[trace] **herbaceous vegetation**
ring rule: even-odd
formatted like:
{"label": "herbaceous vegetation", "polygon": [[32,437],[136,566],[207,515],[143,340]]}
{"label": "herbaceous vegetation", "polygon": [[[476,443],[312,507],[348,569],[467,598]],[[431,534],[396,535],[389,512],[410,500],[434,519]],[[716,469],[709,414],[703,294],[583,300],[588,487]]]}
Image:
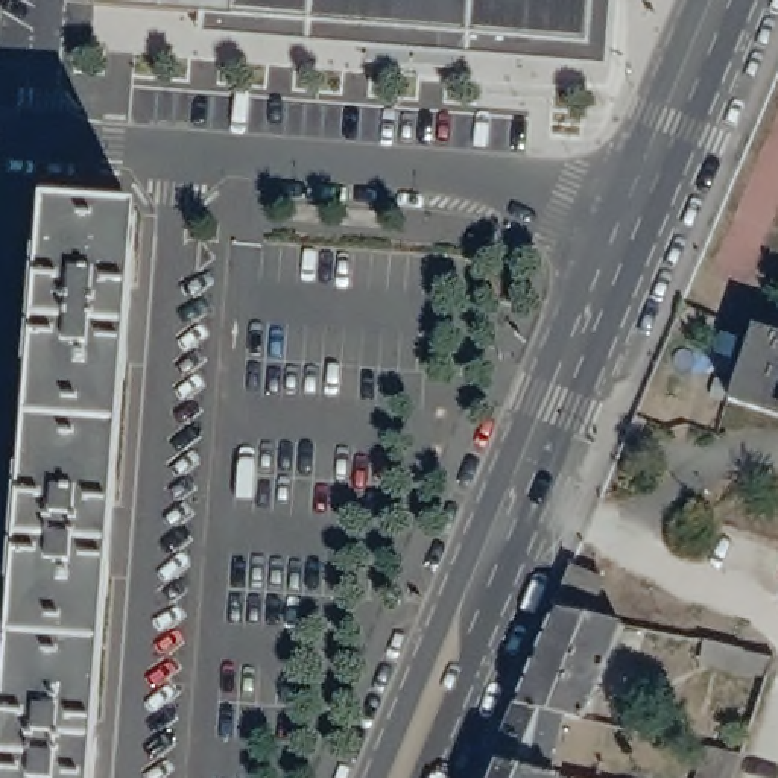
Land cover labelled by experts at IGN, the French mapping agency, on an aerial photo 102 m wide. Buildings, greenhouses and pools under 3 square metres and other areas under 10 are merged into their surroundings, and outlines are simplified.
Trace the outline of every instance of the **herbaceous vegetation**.
{"label": "herbaceous vegetation", "polygon": [[778,286],[778,210],[760,252],[760,277]]}
{"label": "herbaceous vegetation", "polygon": [[641,410],[650,413],[650,419],[644,425],[632,425],[620,416],[617,444],[611,453],[617,468],[626,468],[632,453],[641,450],[641,444],[653,432],[666,432],[669,438],[675,429],[687,429],[690,438],[702,447],[726,432],[778,438],[778,419],[732,407],[729,401],[714,404],[708,395],[711,389],[705,389],[705,377],[711,374],[708,356],[693,349],[690,343],[690,334],[696,334],[705,325],[705,316],[696,313],[684,322],[681,334],[669,334],[656,359],[653,377],[647,383],[647,392],[641,398]]}
{"label": "herbaceous vegetation", "polygon": [[729,210],[738,213],[748,182],[757,173],[760,155],[778,122],[778,91],[729,198]]}
{"label": "herbaceous vegetation", "polygon": [[763,678],[751,681],[748,675],[708,666],[708,656],[702,656],[702,644],[720,641],[748,653],[772,650],[772,644],[766,644],[754,632],[754,626],[745,617],[729,617],[705,605],[681,602],[659,584],[626,571],[611,559],[596,559],[593,547],[584,538],[577,550],[568,556],[568,565],[584,571],[599,568],[605,593],[614,605],[608,617],[614,617],[617,626],[623,623],[629,629],[644,629],[644,644],[638,650],[620,647],[614,650],[602,684],[605,699],[611,702],[614,696],[632,690],[641,678],[666,675],[675,687],[675,696],[687,705],[687,720],[693,732],[705,735],[705,748],[742,748],[742,745],[726,745],[723,738],[714,738],[717,723],[748,723],[763,693]]}
{"label": "herbaceous vegetation", "polygon": [[714,508],[717,532],[729,526],[778,547],[778,514],[745,514],[745,504],[732,480],[717,480],[702,492],[708,498],[708,508]]}
{"label": "herbaceous vegetation", "polygon": [[626,738],[626,732],[614,735],[617,748],[626,754],[623,772],[602,772],[577,763],[562,763],[559,772],[562,778],[696,778],[693,772],[669,748],[653,748],[650,742],[644,742],[641,732],[632,738]]}

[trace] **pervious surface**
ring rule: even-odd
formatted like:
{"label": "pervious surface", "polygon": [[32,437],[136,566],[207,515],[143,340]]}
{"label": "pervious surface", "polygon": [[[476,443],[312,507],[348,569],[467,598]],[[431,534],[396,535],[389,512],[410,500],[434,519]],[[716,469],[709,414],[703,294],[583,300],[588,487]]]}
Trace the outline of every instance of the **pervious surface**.
{"label": "pervious surface", "polygon": [[720,544],[714,556],[696,562],[675,556],[659,535],[641,523],[623,520],[617,504],[599,504],[584,538],[593,547],[596,559],[611,559],[626,571],[659,584],[681,602],[705,605],[729,617],[745,617],[754,626],[754,632],[766,644],[772,644],[772,650],[778,653],[778,547],[729,526],[717,532]]}
{"label": "pervious surface", "polygon": [[738,778],[778,778],[778,675],[772,690],[763,693],[748,723],[748,738],[742,745],[742,748],[748,757],[745,772]]}

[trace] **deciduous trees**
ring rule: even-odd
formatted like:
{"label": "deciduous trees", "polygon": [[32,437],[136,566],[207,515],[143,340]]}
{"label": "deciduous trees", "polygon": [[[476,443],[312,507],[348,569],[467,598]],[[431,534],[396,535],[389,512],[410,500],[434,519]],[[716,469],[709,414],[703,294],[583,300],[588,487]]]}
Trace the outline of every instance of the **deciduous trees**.
{"label": "deciduous trees", "polygon": [[103,46],[94,40],[91,46],[73,52],[73,76],[103,79],[109,73],[109,61],[115,52],[103,52]]}
{"label": "deciduous trees", "polygon": [[748,738],[748,723],[717,723],[714,738],[723,738],[726,745],[742,745]]}
{"label": "deciduous trees", "polygon": [[708,356],[717,346],[717,325],[705,325],[696,334],[690,334],[690,343],[693,349]]}
{"label": "deciduous trees", "polygon": [[401,76],[401,67],[395,64],[383,70],[380,79],[374,79],[377,97],[386,106],[392,106],[392,100],[407,91],[410,79]]}
{"label": "deciduous trees", "polygon": [[593,91],[584,82],[568,94],[556,97],[556,103],[568,106],[574,119],[584,119],[584,112],[593,106]]}
{"label": "deciduous trees", "polygon": [[659,441],[669,438],[666,432],[653,432],[641,444],[641,450],[632,453],[626,468],[617,468],[611,483],[614,501],[653,492],[659,477],[669,471]]}
{"label": "deciduous trees", "polygon": [[234,88],[237,94],[252,82],[252,64],[240,58],[228,64],[219,76],[228,79],[228,88]]}
{"label": "deciduous trees", "polygon": [[444,79],[453,97],[474,100],[480,94],[468,70],[465,76]]}
{"label": "deciduous trees", "polygon": [[313,64],[298,70],[301,85],[337,88],[337,73],[316,70]]}
{"label": "deciduous trees", "polygon": [[404,422],[416,413],[416,407],[413,398],[401,389],[389,398],[386,413]]}
{"label": "deciduous trees", "polygon": [[170,85],[182,73],[182,61],[173,55],[173,49],[167,49],[155,64],[149,64],[149,73]]}
{"label": "deciduous trees", "polygon": [[444,535],[444,526],[450,523],[447,511],[410,514],[410,489],[419,498],[444,498],[444,468],[438,465],[429,477],[413,477],[410,468],[416,438],[398,429],[383,435],[383,447],[389,453],[386,471],[380,474],[380,489],[389,495],[386,511],[371,514],[356,504],[340,508],[340,529],[346,532],[346,544],[334,553],[340,584],[334,587],[334,605],[349,611],[349,617],[340,623],[337,656],[325,656],[325,617],[310,614],[301,623],[286,623],[286,632],[295,641],[295,653],[286,672],[286,678],[292,681],[286,714],[292,717],[292,732],[277,735],[277,729],[261,726],[252,732],[252,778],[313,778],[310,766],[295,772],[280,769],[280,754],[298,754],[310,760],[319,754],[343,766],[359,754],[356,729],[365,726],[368,717],[365,696],[353,687],[368,681],[371,675],[371,666],[359,647],[365,641],[362,605],[371,602],[395,614],[410,596],[407,565],[398,559],[395,547],[368,550],[365,535],[422,535],[435,541]]}
{"label": "deciduous trees", "polygon": [[675,556],[696,562],[714,556],[720,544],[717,532],[714,508],[708,508],[699,508],[699,501],[687,501],[681,514],[659,526],[659,535]]}
{"label": "deciduous trees", "polygon": [[675,687],[666,675],[641,678],[632,690],[614,696],[611,702],[614,735],[626,732],[626,738],[632,738],[641,732],[644,742],[650,742],[653,748],[669,748],[693,772],[705,769],[705,748],[705,735],[693,732],[687,720],[687,705],[675,696]]}
{"label": "deciduous trees", "polygon": [[754,474],[732,471],[732,480],[745,504],[745,514],[778,514],[778,474],[769,465],[766,471]]}
{"label": "deciduous trees", "polygon": [[456,349],[465,340],[474,340],[477,349],[492,346],[498,340],[498,331],[489,319],[501,313],[514,316],[517,322],[529,322],[538,310],[547,310],[547,298],[541,295],[541,277],[550,258],[544,246],[535,243],[489,243],[474,255],[474,270],[465,267],[465,280],[456,280],[453,274],[444,274],[432,283],[435,334],[422,377],[435,386],[477,386],[483,392],[495,386],[498,368],[486,356],[459,365]]}

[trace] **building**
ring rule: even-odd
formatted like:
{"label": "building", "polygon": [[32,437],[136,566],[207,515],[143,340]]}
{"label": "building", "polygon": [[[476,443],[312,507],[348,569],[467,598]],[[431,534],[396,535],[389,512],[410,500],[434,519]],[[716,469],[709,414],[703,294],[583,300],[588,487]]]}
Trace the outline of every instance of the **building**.
{"label": "building", "polygon": [[738,778],[745,772],[748,757],[742,748],[705,748],[705,769],[693,772],[696,778]]}
{"label": "building", "polygon": [[720,641],[702,644],[702,656],[708,656],[708,666],[748,675],[751,681],[763,678],[763,693],[772,690],[778,675],[778,653],[772,650],[748,653]]}
{"label": "building", "polygon": [[131,207],[131,195],[67,185],[40,185],[33,191],[0,599],[0,778],[94,778],[94,760],[100,754],[97,717],[103,711],[106,696],[100,675],[100,641],[109,620],[109,599],[115,590],[115,574],[109,571],[109,535],[122,523],[125,511],[122,422],[131,404],[131,383],[137,365],[137,316],[131,313],[131,292],[137,270],[131,234],[125,228],[125,210]]}
{"label": "building", "polygon": [[726,383],[732,395],[729,401],[732,407],[778,419],[778,328],[763,322],[748,325],[742,356],[735,362],[732,380]]}
{"label": "building", "polygon": [[535,635],[532,656],[523,663],[523,672],[517,678],[514,702],[508,705],[508,714],[501,720],[501,729],[511,738],[520,738],[523,745],[511,760],[492,757],[483,769],[483,778],[562,778],[559,772],[547,772],[547,763],[559,735],[559,723],[565,711],[577,711],[587,702],[593,678],[599,678],[602,684],[614,650],[620,647],[611,641],[617,626],[614,617],[608,617],[568,605],[556,605],[544,617]]}
{"label": "building", "polygon": [[599,568],[584,571],[568,565],[562,577],[568,587],[605,593]]}
{"label": "building", "polygon": [[301,49],[313,36],[353,40],[362,55],[362,64],[371,64],[377,58],[392,58],[395,64],[401,67],[404,61],[419,61],[432,64],[441,73],[441,67],[453,61],[465,61],[468,52],[602,61],[608,36],[608,0],[94,0],[94,6],[185,12],[188,21],[204,15],[207,30],[286,36],[289,46]]}

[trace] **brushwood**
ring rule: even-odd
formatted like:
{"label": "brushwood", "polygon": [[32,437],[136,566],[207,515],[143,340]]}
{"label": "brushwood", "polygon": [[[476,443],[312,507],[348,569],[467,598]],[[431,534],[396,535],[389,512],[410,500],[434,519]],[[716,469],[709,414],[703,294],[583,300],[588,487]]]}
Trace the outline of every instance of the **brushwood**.
{"label": "brushwood", "polygon": [[264,207],[270,228],[264,240],[289,240],[304,249],[313,249],[319,243],[319,234],[301,234],[295,228],[292,216],[274,216],[270,207]]}
{"label": "brushwood", "polygon": [[432,246],[413,243],[413,252],[419,252],[422,258],[450,258],[453,274],[456,280],[465,280],[465,267],[474,270],[474,255],[462,252],[462,240],[438,240]]}
{"label": "brushwood", "polygon": [[389,246],[383,234],[353,231],[340,234],[343,246]]}

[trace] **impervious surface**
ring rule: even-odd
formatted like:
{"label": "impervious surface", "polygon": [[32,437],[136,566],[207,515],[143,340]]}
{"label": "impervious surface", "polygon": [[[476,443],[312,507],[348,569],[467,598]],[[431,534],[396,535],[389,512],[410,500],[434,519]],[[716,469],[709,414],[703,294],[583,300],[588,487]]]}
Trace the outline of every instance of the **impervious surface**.
{"label": "impervious surface", "polygon": [[[103,711],[97,717],[100,754],[94,760],[94,778],[252,778],[252,732],[261,726],[277,729],[277,735],[292,732],[292,717],[286,714],[292,681],[286,678],[286,672],[295,653],[295,641],[286,632],[286,623],[301,623],[310,614],[325,617],[325,656],[337,656],[340,623],[349,617],[349,611],[334,605],[334,587],[340,584],[334,553],[346,544],[346,532],[340,529],[340,508],[356,504],[371,514],[386,511],[389,495],[380,489],[380,474],[386,471],[389,453],[383,447],[383,435],[398,429],[416,438],[410,468],[413,477],[429,477],[438,465],[444,468],[444,498],[419,498],[410,489],[410,514],[447,511],[450,523],[444,526],[444,535],[435,541],[422,535],[365,535],[368,550],[395,547],[398,559],[407,565],[410,596],[395,614],[371,602],[362,605],[365,641],[359,647],[371,666],[371,675],[368,681],[353,687],[365,696],[368,717],[365,726],[356,729],[359,754],[343,766],[319,754],[310,760],[298,754],[280,754],[280,769],[295,772],[310,766],[313,778],[483,778],[483,769],[492,757],[511,760],[523,745],[520,738],[511,738],[501,729],[501,720],[508,714],[508,705],[514,702],[517,678],[523,672],[523,663],[532,656],[535,635],[544,617],[556,605],[568,605],[608,617],[614,605],[605,593],[568,587],[562,577],[568,565],[568,556],[577,550],[584,538],[599,504],[617,504],[623,520],[641,523],[659,535],[659,526],[681,514],[687,501],[699,501],[699,508],[708,508],[708,498],[702,492],[717,480],[732,480],[732,471],[754,474],[766,471],[769,465],[778,474],[778,438],[726,432],[702,447],[690,438],[687,429],[675,429],[669,438],[659,441],[669,471],[659,477],[653,492],[614,501],[611,483],[617,468],[611,453],[617,444],[620,416],[632,425],[644,425],[650,419],[650,413],[641,410],[641,398],[647,392],[647,383],[653,377],[656,359],[669,334],[681,334],[684,322],[696,313],[705,316],[705,325],[717,325],[717,346],[708,356],[711,374],[705,377],[705,389],[711,389],[708,395],[714,404],[729,401],[732,395],[726,383],[732,380],[735,362],[742,356],[748,325],[763,322],[778,328],[778,286],[760,277],[760,252],[778,210],[778,122],[760,155],[757,173],[748,182],[738,213],[729,210],[729,198],[778,91],[778,0],[608,0],[608,36],[602,61],[468,52],[465,61],[453,61],[441,67],[441,73],[432,64],[419,61],[404,61],[401,67],[401,76],[410,79],[407,91],[392,100],[392,106],[386,106],[377,97],[374,79],[380,79],[383,70],[395,64],[392,58],[377,58],[371,64],[362,64],[362,55],[353,40],[313,36],[301,49],[289,46],[286,36],[207,30],[204,15],[188,21],[185,12],[94,6],[94,0],[0,0],[0,599],[33,191],[40,185],[67,185],[131,195],[131,207],[125,210],[125,228],[131,234],[137,270],[131,292],[131,313],[137,316],[137,365],[131,383],[131,404],[122,422],[125,511],[122,523],[109,535],[109,571],[115,574],[115,590],[109,599],[109,620],[100,641],[100,675],[106,696]],[[109,73],[103,79],[73,76],[73,52],[91,46],[94,40],[103,46],[103,52],[115,52],[109,61]],[[173,55],[182,61],[182,73],[170,85],[149,73],[149,64],[155,64],[167,49],[173,49]],[[237,94],[234,88],[228,88],[228,79],[219,76],[228,64],[240,58],[252,64],[252,82]],[[298,70],[313,64],[316,70],[337,73],[337,88],[301,85]],[[453,97],[444,79],[465,76],[468,70],[480,94],[474,100]],[[568,106],[556,103],[556,97],[568,94],[584,82],[593,91],[593,106],[584,112],[584,119],[574,119]],[[319,243],[313,249],[304,249],[289,240],[264,240],[270,228],[264,207],[270,207],[274,216],[292,216],[295,228],[301,234],[319,234]],[[343,246],[340,234],[353,231],[383,234],[389,246]],[[432,246],[438,240],[462,240],[462,252],[474,255],[489,243],[535,243],[544,246],[550,258],[541,277],[541,295],[547,298],[547,310],[538,310],[529,322],[517,322],[514,316],[501,313],[489,319],[498,331],[498,340],[492,346],[477,349],[474,340],[465,340],[456,349],[459,365],[486,356],[498,368],[495,386],[483,392],[477,386],[435,386],[422,377],[435,334],[432,283],[444,274],[453,274],[450,258],[422,258],[419,252],[413,252],[413,243]],[[386,413],[389,398],[401,389],[413,398],[416,407],[416,413],[404,422]]]}
{"label": "impervious surface", "polygon": [[623,772],[626,754],[617,748],[614,735],[611,702],[605,699],[602,684],[599,678],[593,678],[587,702],[577,711],[565,711],[559,723],[559,735],[547,763],[547,772],[559,772],[562,763],[577,763],[602,772]]}
{"label": "impervious surface", "polygon": [[644,629],[629,629],[623,623],[617,626],[611,641],[620,647],[638,650],[644,644]]}

